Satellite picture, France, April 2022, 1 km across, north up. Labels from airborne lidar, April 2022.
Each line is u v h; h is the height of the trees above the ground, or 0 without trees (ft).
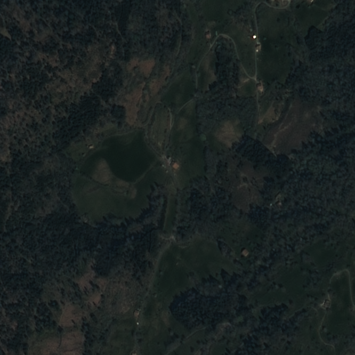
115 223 83
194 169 0
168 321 0
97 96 32
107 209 0
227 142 0
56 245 73
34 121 81
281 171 113
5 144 30
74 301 80
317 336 0
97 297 0
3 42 72
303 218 73
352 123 27
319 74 72
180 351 0
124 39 61
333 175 19
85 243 52
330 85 34
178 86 0
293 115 0
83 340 0
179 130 0
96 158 0
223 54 74
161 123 0
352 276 0
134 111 0
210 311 75
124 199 0
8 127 91
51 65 24
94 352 26
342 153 33
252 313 44
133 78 20
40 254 74
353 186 48
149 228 70
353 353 0
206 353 59
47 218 39
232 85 22
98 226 74
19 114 109
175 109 66
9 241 23
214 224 87
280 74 0
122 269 62
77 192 0
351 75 65
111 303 25
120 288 35
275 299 0
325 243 40
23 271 60
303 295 0
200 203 109
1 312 97
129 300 54
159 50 67
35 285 60
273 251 23
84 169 0
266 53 0
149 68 0
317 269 51
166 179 0
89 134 94
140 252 75
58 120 96
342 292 0
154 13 73
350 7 103
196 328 75
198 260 0
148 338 0
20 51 78
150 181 0
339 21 80
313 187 70
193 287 0
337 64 58
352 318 0
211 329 0
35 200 62
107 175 0
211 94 24
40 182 55
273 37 0
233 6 0
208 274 0
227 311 65
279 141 0
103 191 0
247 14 57
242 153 118
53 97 108
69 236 56
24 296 57
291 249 60
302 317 33
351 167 71
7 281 36
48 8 35
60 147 117
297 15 0
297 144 0
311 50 68
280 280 0
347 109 49
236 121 0
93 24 74
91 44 79
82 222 25
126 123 28
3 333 53
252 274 40
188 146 0
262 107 0
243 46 0
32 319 52
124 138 0
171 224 0
